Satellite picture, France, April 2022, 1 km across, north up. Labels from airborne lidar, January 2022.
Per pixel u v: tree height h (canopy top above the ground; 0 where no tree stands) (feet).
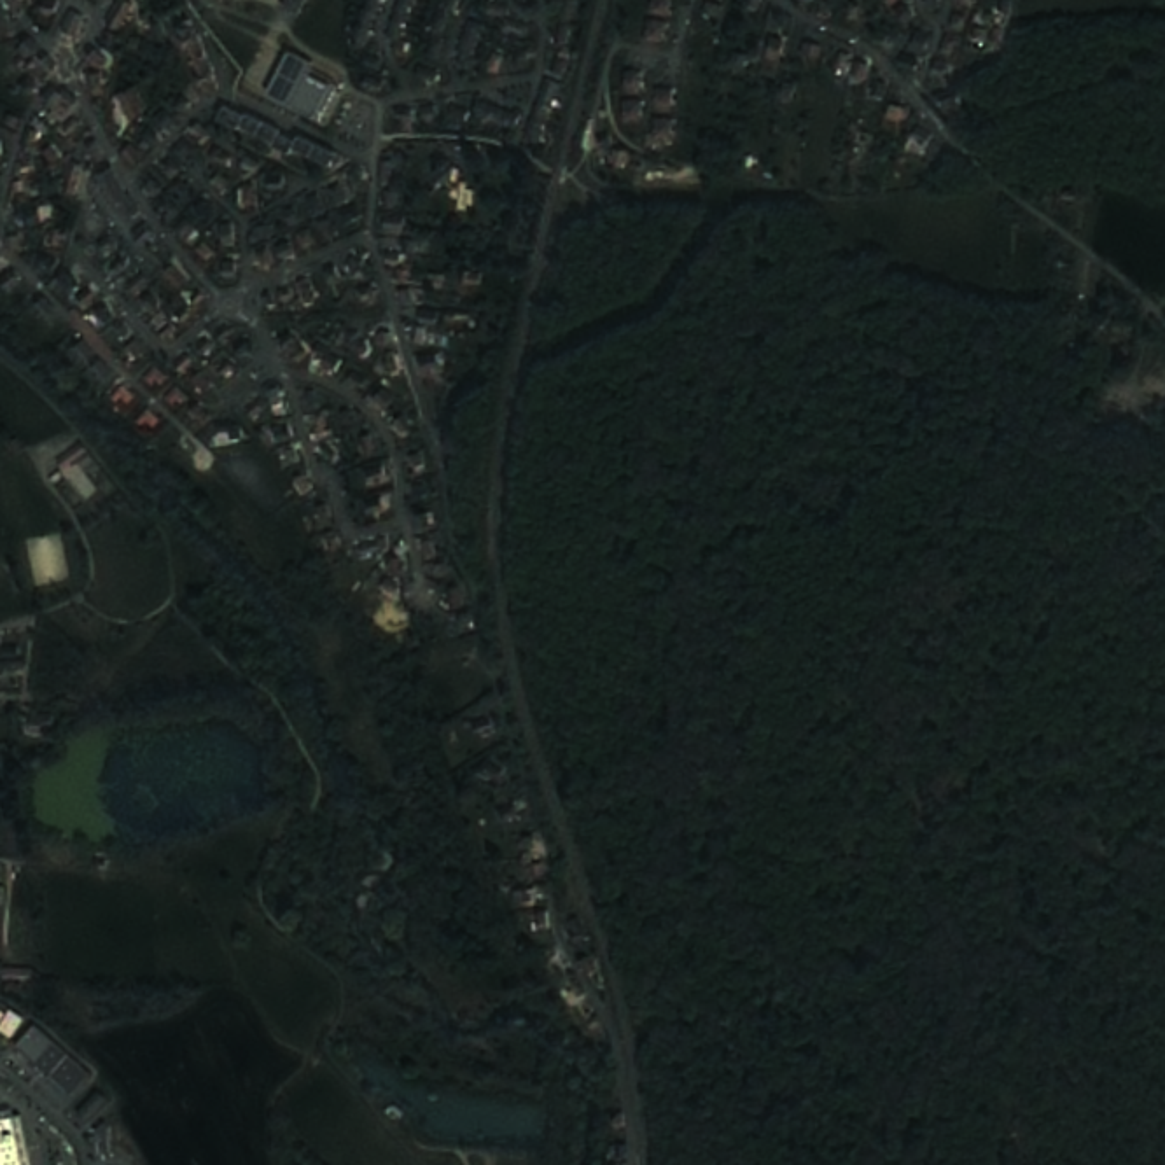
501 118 0
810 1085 70
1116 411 0
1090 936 84
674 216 61
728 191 0
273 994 0
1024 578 61
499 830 0
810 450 75
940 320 75
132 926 0
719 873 75
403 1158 0
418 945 80
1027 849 65
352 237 0
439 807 20
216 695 91
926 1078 99
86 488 0
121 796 0
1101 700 68
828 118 0
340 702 0
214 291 0
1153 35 49
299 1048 0
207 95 0
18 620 0
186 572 0
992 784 77
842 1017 73
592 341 64
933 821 30
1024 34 49
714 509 91
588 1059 61
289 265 0
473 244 18
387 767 0
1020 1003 75
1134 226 0
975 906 76
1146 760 76
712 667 85
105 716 102
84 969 0
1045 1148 54
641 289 61
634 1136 0
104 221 0
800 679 51
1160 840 73
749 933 82
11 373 0
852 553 62
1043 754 87
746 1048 75
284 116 0
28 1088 0
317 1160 33
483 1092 0
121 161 0
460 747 0
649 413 72
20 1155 0
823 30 0
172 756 0
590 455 66
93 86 0
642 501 79
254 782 0
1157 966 67
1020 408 70
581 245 57
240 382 0
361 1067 0
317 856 41
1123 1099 58
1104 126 57
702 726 94
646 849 77
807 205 58
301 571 26
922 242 0
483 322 20
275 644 23
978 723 75
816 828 72
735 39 45
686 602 78
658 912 76
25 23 0
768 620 65
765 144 0
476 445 55
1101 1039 70
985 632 75
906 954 75
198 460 0
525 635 68
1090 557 71
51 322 0
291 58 0
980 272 0
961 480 54
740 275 71
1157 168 61
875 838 74
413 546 0
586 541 68
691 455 76
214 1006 0
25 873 0
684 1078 82
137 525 0
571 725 80
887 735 70
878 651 65
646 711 62
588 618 57
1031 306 63
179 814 0
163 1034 0
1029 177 47
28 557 0
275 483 0
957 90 48
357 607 0
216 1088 0
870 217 0
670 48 0
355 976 27
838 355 70
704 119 0
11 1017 0
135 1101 0
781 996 71
